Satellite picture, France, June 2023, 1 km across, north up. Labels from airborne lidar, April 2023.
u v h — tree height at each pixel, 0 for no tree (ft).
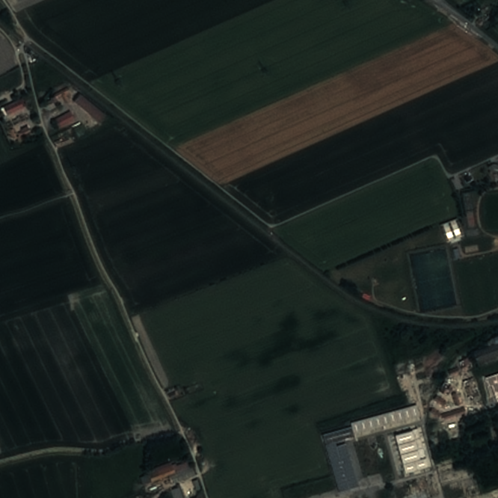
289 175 0
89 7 0
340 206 0
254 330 0
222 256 0
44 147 0
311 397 0
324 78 0
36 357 0
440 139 0
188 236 0
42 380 0
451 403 0
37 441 0
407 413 0
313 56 0
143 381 0
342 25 0
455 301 0
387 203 0
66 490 0
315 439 0
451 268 0
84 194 0
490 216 0
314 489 0
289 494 0
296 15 0
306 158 0
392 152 0
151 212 0
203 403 0
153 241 0
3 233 0
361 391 0
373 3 0
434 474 0
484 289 0
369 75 0
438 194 0
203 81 0
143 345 0
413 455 0
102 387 0
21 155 0
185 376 0
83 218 0
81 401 0
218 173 0
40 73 0
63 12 0
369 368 0
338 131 0
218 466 0
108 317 0
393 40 0
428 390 0
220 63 0
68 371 0
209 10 0
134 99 0
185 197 0
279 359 0
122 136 0
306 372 0
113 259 0
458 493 0
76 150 0
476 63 0
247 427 0
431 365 0
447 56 0
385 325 0
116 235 0
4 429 0
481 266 0
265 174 0
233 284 0
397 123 0
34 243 0
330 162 0
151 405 0
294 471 0
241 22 0
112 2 0
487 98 0
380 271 0
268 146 0
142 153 0
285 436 0
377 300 0
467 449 39
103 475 0
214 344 0
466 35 0
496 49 0
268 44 0
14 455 0
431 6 0
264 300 0
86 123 0
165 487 0
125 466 0
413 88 0
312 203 0
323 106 0
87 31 0
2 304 0
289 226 0
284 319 0
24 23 0
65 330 0
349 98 0
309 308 0
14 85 0
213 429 0
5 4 0
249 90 0
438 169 0
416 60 0
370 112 0
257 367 0
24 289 0
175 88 0
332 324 0
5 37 0
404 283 0
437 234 0
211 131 0
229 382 0
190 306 0
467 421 49
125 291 0
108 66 0
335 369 0
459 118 0
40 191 0
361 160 0
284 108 0
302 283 0
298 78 0
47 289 0
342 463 0
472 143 0
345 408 0
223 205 0
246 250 0
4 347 0
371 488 0
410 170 0
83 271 0
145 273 0
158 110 0
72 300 0
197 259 0
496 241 0
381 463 0
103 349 0
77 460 0
